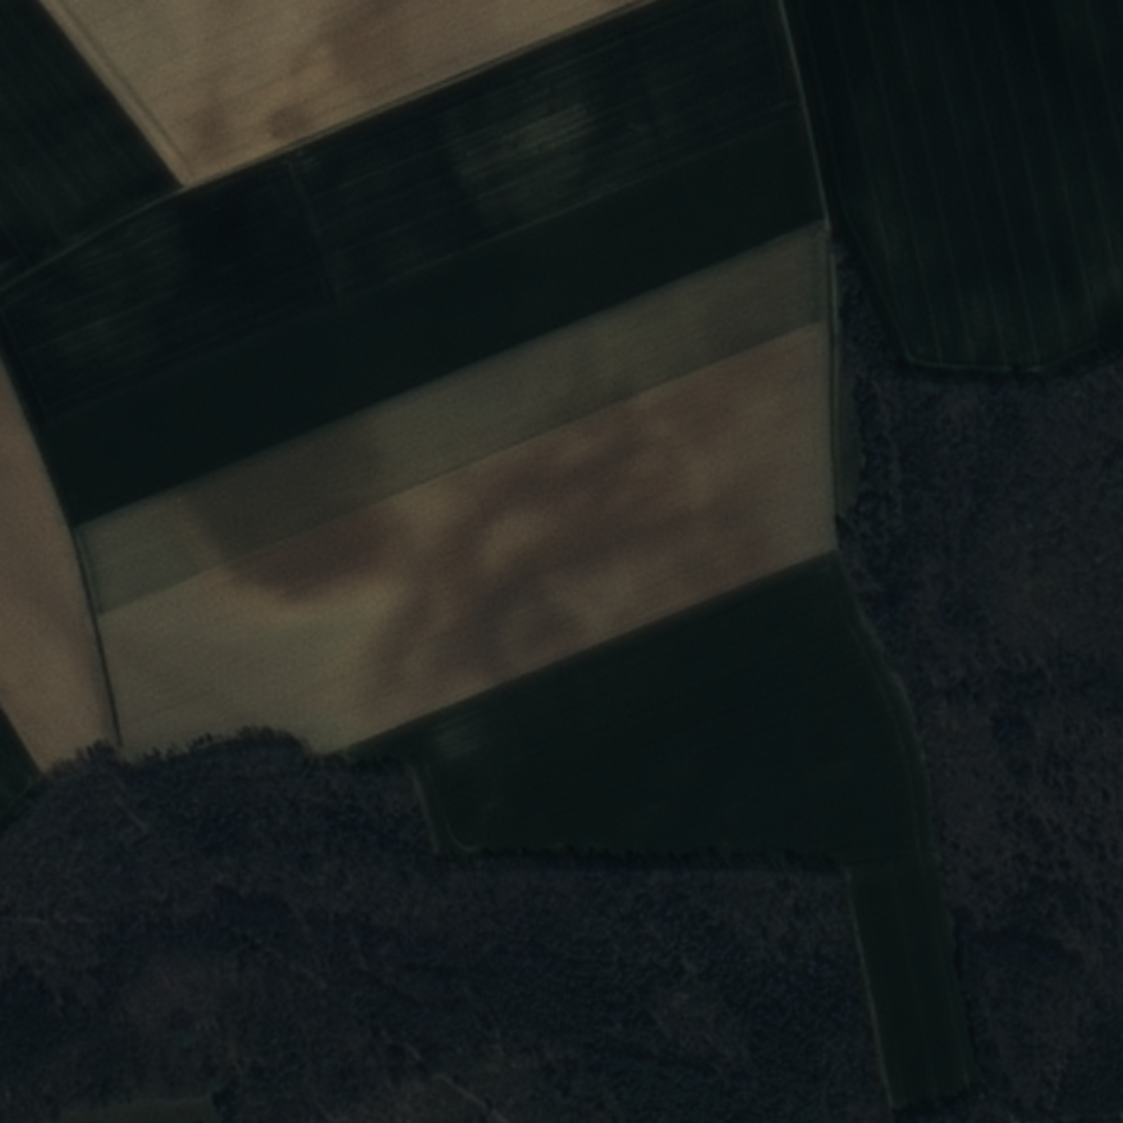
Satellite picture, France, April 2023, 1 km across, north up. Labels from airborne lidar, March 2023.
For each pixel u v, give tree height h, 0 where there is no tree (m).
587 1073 16
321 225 0
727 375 0
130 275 0
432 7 0
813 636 0
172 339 0
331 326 0
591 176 0
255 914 13
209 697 0
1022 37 0
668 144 0
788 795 0
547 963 18
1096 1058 10
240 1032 14
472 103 0
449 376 0
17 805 0
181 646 0
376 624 0
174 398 0
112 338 0
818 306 0
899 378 11
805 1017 14
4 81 0
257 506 0
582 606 0
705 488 0
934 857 0
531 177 0
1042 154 0
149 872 6
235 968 11
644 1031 12
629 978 18
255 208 0
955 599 11
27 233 0
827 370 0
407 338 0
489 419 0
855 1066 16
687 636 0
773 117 0
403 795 17
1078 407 15
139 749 0
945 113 0
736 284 0
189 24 0
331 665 0
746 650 0
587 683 0
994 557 16
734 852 0
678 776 0
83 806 9
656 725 0
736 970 19
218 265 0
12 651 0
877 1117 21
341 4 0
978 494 14
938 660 16
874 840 0
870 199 0
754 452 0
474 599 0
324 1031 16
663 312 0
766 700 0
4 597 0
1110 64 0
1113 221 0
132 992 14
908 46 0
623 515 0
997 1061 16
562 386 0
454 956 16
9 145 0
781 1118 13
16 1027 13
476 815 0
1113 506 20
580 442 0
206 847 9
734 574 0
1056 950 12
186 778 14
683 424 0
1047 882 6
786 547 0
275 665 0
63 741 0
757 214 0
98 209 0
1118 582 18
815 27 0
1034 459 14
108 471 0
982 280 0
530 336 0
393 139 0
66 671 0
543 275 0
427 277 0
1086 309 0
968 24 0
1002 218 0
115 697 0
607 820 0
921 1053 0
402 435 0
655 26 0
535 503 0
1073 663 16
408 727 0
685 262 0
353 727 0
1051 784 6
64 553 0
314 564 0
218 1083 24
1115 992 11
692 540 0
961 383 13
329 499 0
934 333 0
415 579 0
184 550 0
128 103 0
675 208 0
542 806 0
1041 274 0
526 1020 14
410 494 0
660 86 0
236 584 0
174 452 0
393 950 17
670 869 13
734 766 0
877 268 0
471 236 0
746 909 17
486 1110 7
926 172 0
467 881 19
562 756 0
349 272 0
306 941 15
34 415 0
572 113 0
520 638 0
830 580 0
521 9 0
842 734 0
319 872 15
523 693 0
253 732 0
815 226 0
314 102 0
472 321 0
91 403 0
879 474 7
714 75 0
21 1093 15
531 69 0
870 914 0
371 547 0
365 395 0
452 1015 15
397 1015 14
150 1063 15
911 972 0
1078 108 0
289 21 0
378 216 0
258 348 0
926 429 11
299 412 0
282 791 13
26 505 0
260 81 0
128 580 0
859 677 0
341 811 13
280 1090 18
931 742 8
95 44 0
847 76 0
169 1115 0
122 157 0
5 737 0
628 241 0
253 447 0
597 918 16
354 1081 11
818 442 0
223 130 0
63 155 0
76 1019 12
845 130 0
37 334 0
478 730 0
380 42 0
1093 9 0
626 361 0
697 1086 15
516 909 17
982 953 18
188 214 0
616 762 0
